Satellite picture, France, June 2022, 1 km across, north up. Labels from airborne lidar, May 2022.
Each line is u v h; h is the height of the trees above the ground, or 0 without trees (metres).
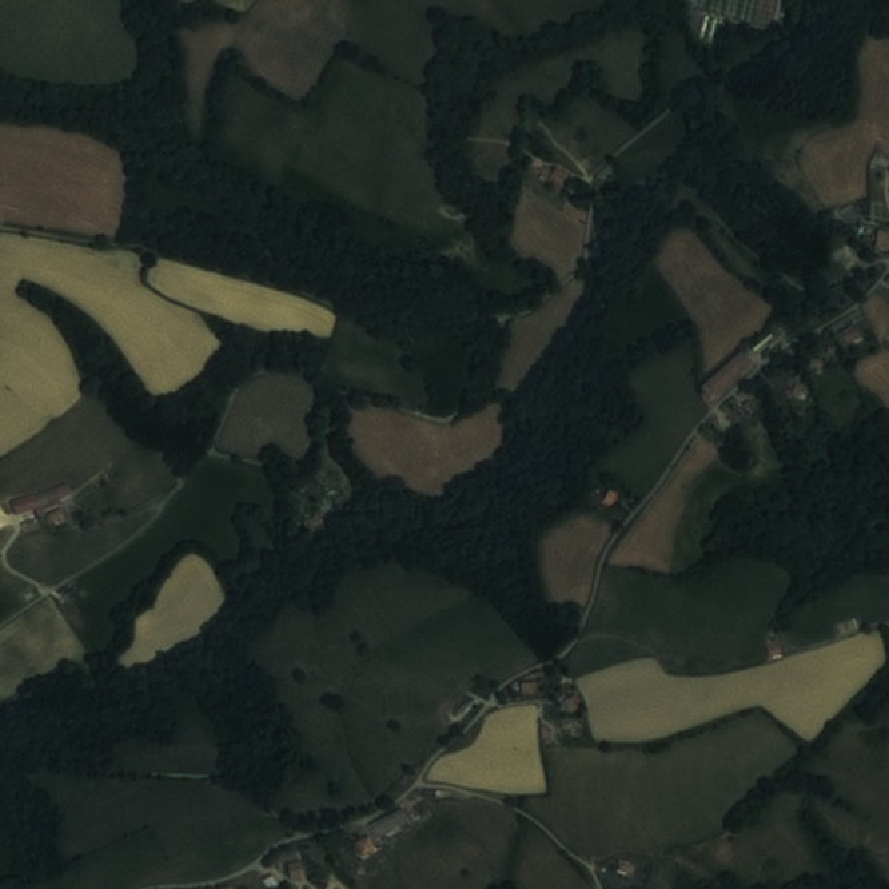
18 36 0
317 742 0
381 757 0
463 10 0
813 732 0
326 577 17
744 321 0
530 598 25
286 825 12
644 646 0
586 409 24
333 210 7
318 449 17
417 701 0
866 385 0
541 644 16
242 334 22
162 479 0
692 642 0
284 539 20
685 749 0
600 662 0
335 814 19
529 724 0
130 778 9
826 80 27
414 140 0
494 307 22
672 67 0
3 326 0
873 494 27
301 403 0
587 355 19
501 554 25
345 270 25
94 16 0
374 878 0
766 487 7
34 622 0
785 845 0
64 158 0
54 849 17
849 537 18
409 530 15
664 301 0
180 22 23
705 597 0
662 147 0
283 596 6
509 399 12
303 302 0
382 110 0
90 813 0
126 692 12
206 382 12
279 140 0
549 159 6
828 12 23
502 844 0
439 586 0
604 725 0
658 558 0
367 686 0
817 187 0
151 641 0
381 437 0
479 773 0
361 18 0
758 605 0
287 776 23
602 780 0
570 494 18
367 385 0
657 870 0
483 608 0
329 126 0
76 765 17
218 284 0
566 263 0
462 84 22
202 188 20
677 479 0
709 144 27
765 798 16
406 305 19
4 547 0
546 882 0
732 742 0
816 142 0
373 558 17
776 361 14
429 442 0
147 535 0
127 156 14
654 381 0
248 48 0
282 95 10
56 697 24
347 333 0
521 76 0
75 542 0
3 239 0
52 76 0
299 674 13
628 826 0
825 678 0
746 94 10
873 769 0
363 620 0
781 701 0
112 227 0
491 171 0
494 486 24
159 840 0
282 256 19
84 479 0
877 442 31
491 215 15
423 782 0
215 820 0
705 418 0
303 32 0
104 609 0
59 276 0
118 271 0
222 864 0
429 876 0
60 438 0
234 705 26
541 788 0
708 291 0
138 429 17
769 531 21
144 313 0
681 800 0
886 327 0
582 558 0
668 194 15
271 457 18
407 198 0
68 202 0
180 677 11
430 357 0
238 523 11
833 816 0
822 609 0
